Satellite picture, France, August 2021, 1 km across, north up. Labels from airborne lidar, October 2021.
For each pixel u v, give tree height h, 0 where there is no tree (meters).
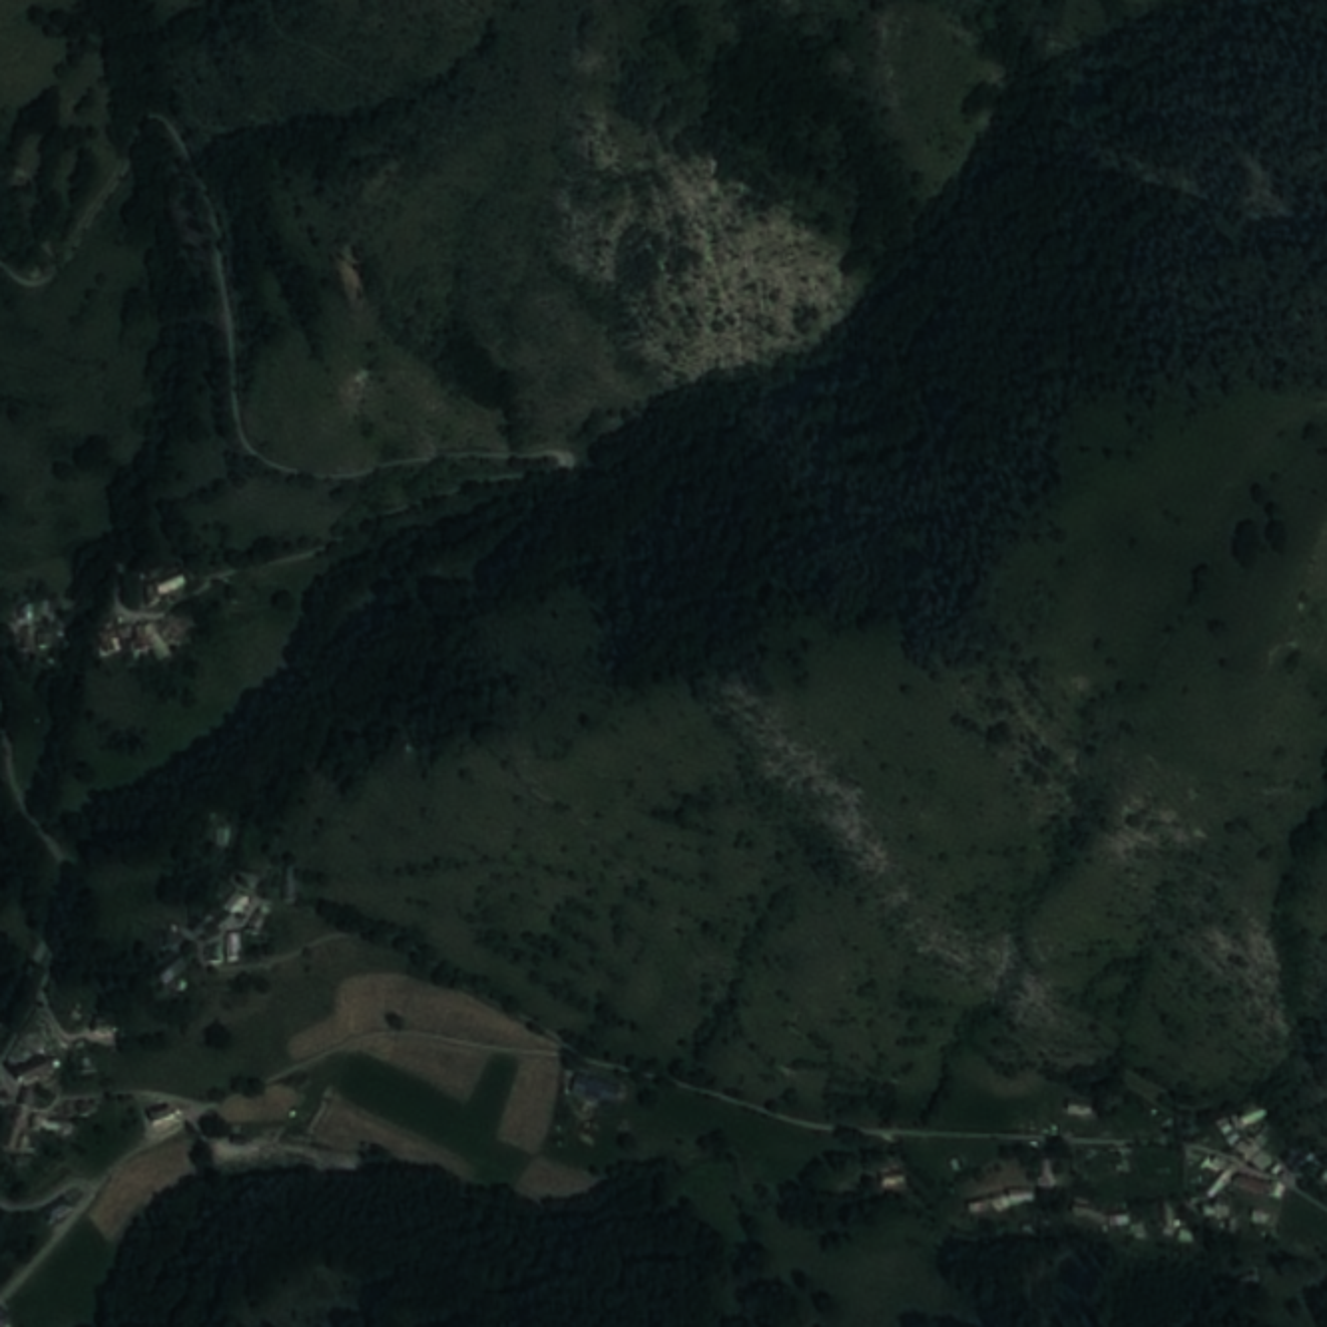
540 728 0
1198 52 6
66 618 19
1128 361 6
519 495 17
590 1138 0
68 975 18
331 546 9
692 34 12
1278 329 7
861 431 18
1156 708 0
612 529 14
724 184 6
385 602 26
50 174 15
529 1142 0
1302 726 0
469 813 0
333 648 27
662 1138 0
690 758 0
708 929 11
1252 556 12
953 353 27
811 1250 0
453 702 18
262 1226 33
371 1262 28
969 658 11
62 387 0
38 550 0
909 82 0
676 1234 28
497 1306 32
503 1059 0
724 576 14
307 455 0
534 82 0
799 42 10
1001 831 0
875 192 12
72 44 9
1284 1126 9
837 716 0
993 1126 0
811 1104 0
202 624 8
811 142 11
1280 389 8
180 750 0
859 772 0
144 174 17
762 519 11
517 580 25
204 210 16
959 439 22
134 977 6
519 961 13
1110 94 18
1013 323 14
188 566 16
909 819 0
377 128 14
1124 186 18
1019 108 15
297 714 29
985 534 11
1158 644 0
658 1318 33
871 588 25
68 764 23
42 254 9
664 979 0
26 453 0
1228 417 0
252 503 0
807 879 0
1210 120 12
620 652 8
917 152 0
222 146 17
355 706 16
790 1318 17
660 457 20
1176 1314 7
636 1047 0
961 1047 13
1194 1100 10
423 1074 0
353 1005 0
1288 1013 5
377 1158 17
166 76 16
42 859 16
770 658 15
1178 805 0
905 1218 0
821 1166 16
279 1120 0
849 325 16
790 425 7
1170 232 10
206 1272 13
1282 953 7
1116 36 11
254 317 10
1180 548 0
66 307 0
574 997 8
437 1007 0
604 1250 35
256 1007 0
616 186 9
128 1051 17
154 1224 17
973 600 18
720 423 15
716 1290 10
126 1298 25
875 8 10
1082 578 0
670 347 9
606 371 0
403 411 0
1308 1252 0
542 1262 26
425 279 7
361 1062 0
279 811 19
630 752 0
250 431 0
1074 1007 8
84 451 14
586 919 7
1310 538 0
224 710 0
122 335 6
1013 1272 23
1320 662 0
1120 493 0
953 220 17
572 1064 19
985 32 8
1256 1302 24
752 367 7
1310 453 0
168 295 27
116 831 14
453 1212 28
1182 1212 10
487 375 18
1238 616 0
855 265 15
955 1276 20
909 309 23
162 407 16
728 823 0
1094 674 0
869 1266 0
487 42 12
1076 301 20
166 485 11
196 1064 0
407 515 9
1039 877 7
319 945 0
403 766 0
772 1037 0
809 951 0
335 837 0
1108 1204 0
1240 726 0
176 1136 0
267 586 0
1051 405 9
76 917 24
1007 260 25
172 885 13
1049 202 13
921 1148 0
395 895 0
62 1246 0
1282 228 13
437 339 10
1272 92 10
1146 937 6
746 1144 0
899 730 0
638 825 0
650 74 15
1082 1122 0
